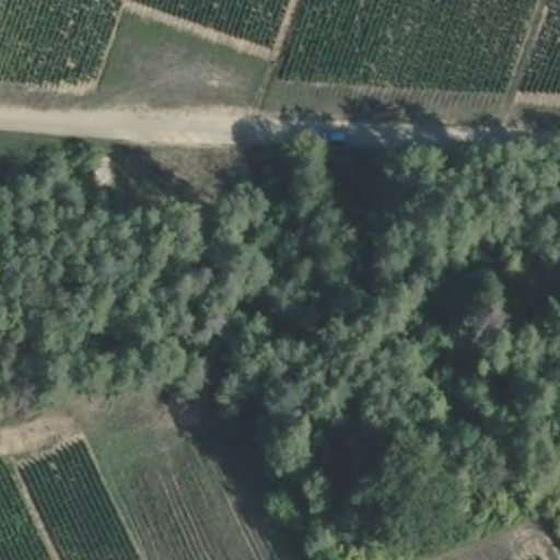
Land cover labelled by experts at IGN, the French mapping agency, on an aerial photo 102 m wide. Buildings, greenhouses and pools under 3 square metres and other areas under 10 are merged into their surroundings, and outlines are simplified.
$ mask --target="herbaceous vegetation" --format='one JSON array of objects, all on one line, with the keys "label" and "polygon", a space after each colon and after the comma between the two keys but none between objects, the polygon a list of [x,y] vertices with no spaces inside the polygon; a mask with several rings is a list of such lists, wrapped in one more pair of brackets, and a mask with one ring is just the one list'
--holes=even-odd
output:
[{"label": "herbaceous vegetation", "polygon": [[560,560],[560,549],[538,527],[518,525],[501,536],[483,538],[479,543],[446,551],[446,556],[435,560]]}]

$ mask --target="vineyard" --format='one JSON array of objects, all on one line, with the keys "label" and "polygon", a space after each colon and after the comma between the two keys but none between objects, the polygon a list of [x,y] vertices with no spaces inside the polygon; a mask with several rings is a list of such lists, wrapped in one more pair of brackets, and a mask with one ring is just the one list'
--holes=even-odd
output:
[{"label": "vineyard", "polygon": [[306,109],[313,109],[315,114],[328,114],[330,120],[335,120],[343,116],[343,103],[350,98],[372,96],[381,103],[387,103],[392,96],[422,105],[427,114],[435,114],[442,120],[446,131],[451,127],[468,129],[470,120],[481,114],[499,118],[505,131],[523,131],[525,107],[553,109],[560,116],[560,0],[0,0],[0,105],[20,105],[31,109],[98,109],[129,107],[138,103],[147,103],[153,109],[223,105],[258,107],[278,114],[282,107],[302,105]]},{"label": "vineyard", "polygon": [[208,433],[203,420],[190,433],[182,435],[177,433],[177,427],[173,427],[171,431],[149,431],[142,418],[151,409],[140,407],[125,418],[103,418],[96,427],[85,427],[83,431],[85,440],[74,442],[70,446],[66,446],[61,438],[53,435],[37,448],[9,453],[0,457],[0,560],[311,560],[304,547],[295,545],[300,525],[295,523],[295,518],[280,518],[269,512],[271,499],[256,488],[252,464],[245,457],[232,457],[228,442]]}]

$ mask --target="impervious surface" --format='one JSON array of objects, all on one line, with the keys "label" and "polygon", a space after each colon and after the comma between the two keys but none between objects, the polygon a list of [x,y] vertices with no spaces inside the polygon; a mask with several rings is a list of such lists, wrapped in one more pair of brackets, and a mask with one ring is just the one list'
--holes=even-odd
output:
[{"label": "impervious surface", "polygon": [[516,144],[532,140],[534,147],[545,147],[560,138],[560,116],[553,109],[525,107],[523,131],[505,131],[499,118],[481,114],[470,120],[468,129],[451,127],[446,131],[442,120],[435,114],[427,114],[422,105],[392,96],[387,103],[381,103],[372,96],[350,98],[343,103],[343,116],[335,120],[330,120],[328,114],[315,114],[313,109],[306,109],[302,105],[282,107],[278,114],[258,107],[223,105],[153,109],[147,103],[138,103],[129,107],[98,109],[31,109],[20,105],[0,105],[0,129],[74,138],[109,138],[140,147],[223,147],[234,142],[238,151],[243,151],[247,144],[265,144],[273,140],[287,153],[293,151],[295,138],[300,133],[311,131],[319,136],[326,144],[333,140],[343,140],[348,147],[361,147],[365,153],[381,155],[385,155],[387,151],[407,151],[416,147],[442,151],[457,138],[468,144],[470,155],[475,160],[488,155],[494,144]]}]

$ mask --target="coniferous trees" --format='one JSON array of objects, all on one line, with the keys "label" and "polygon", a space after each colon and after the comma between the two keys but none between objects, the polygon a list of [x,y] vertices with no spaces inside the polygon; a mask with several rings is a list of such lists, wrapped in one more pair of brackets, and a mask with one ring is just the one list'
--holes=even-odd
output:
[{"label": "coniferous trees", "polygon": [[232,457],[245,457],[252,464],[256,488],[271,499],[269,512],[280,518],[295,518],[295,523],[300,525],[295,545],[304,547],[311,560],[435,560],[446,556],[446,551],[479,543],[483,538],[501,536],[518,525],[538,527],[560,549],[560,138],[545,147],[534,147],[532,140],[516,144],[494,144],[488,155],[475,160],[470,155],[468,144],[457,138],[442,151],[416,147],[407,151],[387,151],[385,155],[381,155],[365,153],[361,147],[348,147],[343,140],[333,140],[326,144],[319,136],[311,131],[300,133],[295,138],[293,151],[287,153],[273,140],[265,144],[247,144],[243,151],[238,151],[234,142],[223,147],[140,147],[109,138],[74,138],[0,129],[0,429],[18,427],[22,422],[35,422],[42,416],[66,416],[74,418],[72,424],[77,431],[83,431],[85,427],[96,427],[103,418],[125,418],[140,407],[151,409],[142,418],[149,431],[171,431],[173,427],[177,427],[177,433],[182,435],[190,433],[203,420],[208,433],[228,442]]}]

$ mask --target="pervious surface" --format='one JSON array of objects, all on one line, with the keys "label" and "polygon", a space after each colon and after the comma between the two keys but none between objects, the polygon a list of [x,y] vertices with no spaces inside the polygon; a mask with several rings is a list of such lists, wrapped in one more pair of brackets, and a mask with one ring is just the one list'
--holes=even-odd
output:
[{"label": "pervious surface", "polygon": [[37,448],[53,435],[61,438],[66,446],[70,446],[74,442],[85,440],[83,431],[77,431],[72,424],[74,418],[66,416],[42,416],[35,422],[22,422],[18,427],[0,429],[0,457],[9,453]]}]

